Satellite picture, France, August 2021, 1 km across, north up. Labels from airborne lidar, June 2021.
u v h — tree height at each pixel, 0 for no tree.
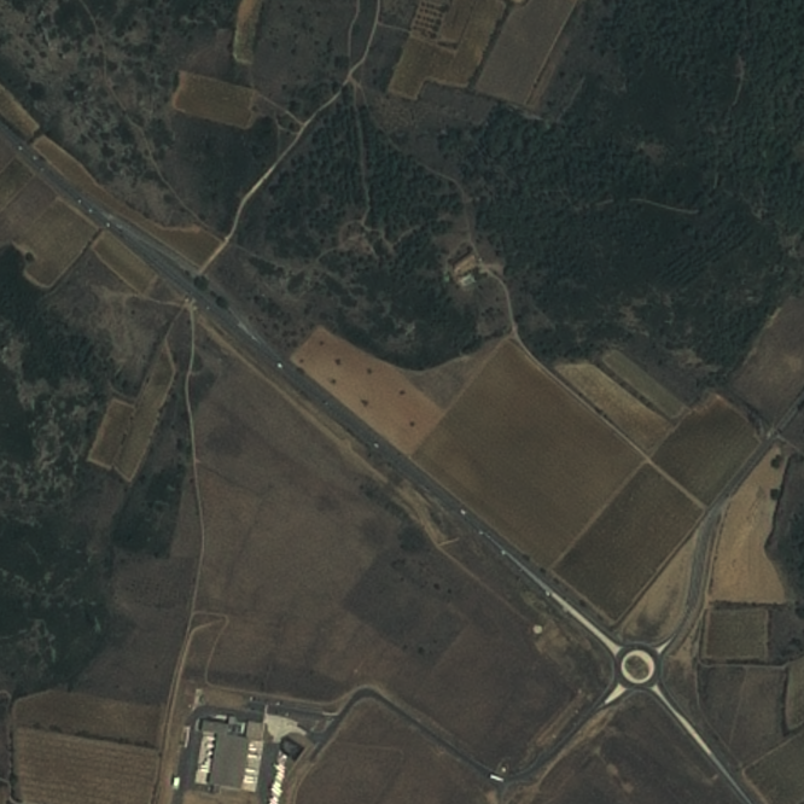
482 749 0
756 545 0
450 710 0
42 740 0
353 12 0
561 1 0
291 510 0
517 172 11
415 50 0
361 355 0
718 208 10
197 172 0
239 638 0
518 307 0
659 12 10
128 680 0
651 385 0
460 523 0
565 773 0
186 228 0
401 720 0
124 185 0
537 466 0
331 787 0
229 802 0
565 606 0
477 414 0
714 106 7
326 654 0
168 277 0
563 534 0
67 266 0
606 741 0
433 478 0
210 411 0
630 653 0
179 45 0
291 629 0
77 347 10
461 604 0
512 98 0
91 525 0
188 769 0
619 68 0
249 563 0
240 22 0
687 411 0
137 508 0
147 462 0
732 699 0
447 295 9
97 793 0
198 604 0
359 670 0
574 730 0
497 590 0
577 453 0
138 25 9
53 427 0
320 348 0
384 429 0
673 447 0
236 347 0
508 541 0
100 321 0
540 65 0
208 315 0
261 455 0
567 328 0
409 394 0
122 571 0
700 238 9
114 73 0
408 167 12
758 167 12
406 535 0
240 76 0
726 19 12
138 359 0
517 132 13
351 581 0
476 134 11
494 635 0
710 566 0
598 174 12
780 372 0
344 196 11
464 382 0
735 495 0
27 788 0
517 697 0
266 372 0
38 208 0
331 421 0
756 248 7
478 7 0
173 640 0
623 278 0
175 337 0
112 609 0
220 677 0
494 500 0
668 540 0
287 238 0
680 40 10
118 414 0
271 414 0
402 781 0
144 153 0
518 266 12
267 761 0
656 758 0
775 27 17
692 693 0
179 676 0
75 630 0
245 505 0
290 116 6
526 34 0
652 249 0
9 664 0
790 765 0
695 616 0
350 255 7
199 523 0
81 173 0
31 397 0
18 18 0
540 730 0
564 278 8
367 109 12
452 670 0
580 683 0
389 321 0
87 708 0
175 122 0
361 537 0
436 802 0
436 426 0
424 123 0
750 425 0
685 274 8
